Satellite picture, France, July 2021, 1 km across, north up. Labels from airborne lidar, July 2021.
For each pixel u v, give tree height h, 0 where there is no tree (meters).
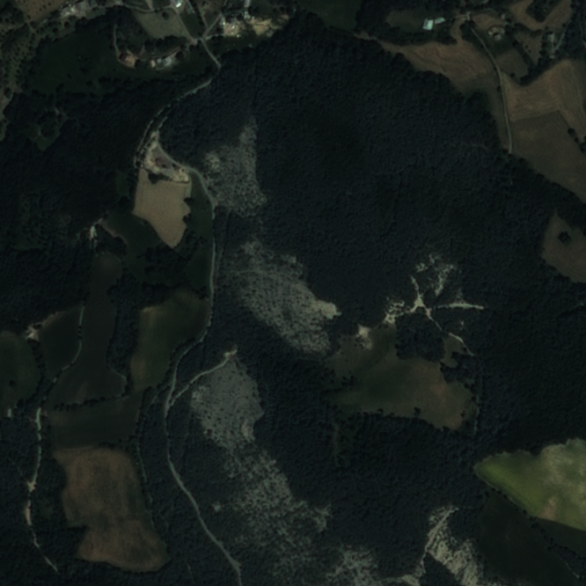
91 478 0
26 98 27
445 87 21
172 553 12
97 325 0
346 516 13
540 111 0
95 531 0
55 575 20
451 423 0
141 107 20
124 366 10
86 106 26
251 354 13
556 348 32
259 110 12
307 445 21
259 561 8
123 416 0
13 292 20
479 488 14
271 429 13
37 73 16
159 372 0
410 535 15
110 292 13
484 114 14
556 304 24
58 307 16
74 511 0
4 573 11
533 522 7
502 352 23
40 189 9
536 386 25
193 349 9
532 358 24
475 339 15
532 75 16
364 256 16
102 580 24
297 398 24
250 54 25
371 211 18
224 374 0
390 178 12
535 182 23
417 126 20
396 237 18
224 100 18
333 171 19
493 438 19
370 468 20
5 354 0
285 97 19
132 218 0
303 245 16
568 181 0
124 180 0
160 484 12
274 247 8
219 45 6
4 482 13
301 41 19
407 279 10
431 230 15
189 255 8
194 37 0
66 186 21
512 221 13
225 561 7
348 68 23
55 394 0
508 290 19
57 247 13
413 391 0
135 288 19
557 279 29
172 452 11
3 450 17
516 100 0
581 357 26
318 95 19
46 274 29
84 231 7
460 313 9
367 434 17
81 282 19
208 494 6
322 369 7
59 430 0
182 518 11
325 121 21
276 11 9
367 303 15
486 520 0
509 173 24
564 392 24
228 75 14
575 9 11
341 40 8
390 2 16
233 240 10
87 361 0
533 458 0
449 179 18
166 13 11
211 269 0
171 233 0
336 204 15
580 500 0
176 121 10
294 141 18
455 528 8
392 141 17
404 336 13
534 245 14
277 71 15
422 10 0
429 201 12
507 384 15
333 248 17
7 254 27
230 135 10
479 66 0
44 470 7
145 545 0
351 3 0
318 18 11
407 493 18
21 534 18
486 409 13
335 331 9
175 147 13
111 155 22
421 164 14
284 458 12
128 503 0
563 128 0
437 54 0
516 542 0
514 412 17
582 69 0
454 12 0
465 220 10
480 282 14
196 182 0
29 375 0
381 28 11
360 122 18
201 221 0
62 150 25
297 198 15
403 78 17
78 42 0
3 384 0
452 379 13
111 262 0
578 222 22
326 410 17
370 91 18
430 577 13
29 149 25
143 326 0
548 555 0
